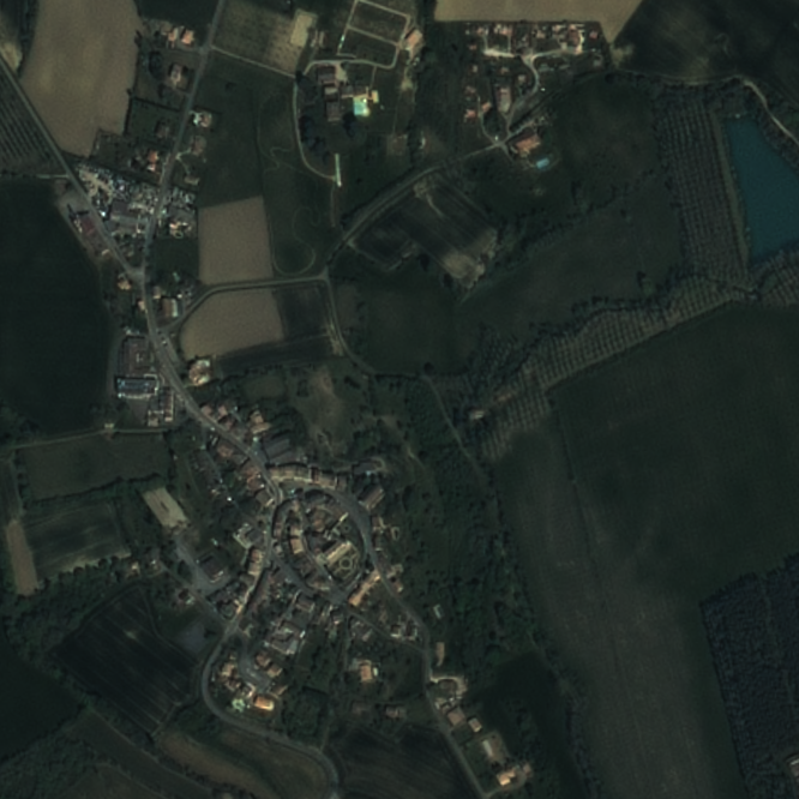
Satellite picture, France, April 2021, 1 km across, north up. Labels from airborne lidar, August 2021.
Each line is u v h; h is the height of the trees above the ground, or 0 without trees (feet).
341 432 0
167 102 50
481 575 28
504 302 21
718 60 0
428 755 0
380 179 0
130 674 0
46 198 0
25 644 49
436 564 0
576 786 0
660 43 0
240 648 0
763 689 68
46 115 0
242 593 0
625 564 30
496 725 0
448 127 22
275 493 0
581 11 0
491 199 0
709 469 43
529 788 27
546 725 0
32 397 0
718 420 30
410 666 33
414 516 51
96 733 0
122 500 35
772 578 40
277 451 0
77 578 36
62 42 0
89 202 0
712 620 49
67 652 0
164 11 0
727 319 0
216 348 0
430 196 0
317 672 40
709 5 0
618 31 0
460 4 0
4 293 0
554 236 45
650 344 31
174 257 0
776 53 0
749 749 51
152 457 0
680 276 42
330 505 0
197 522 0
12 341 0
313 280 0
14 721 0
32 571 0
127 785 0
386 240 0
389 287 0
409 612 0
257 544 0
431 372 47
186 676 0
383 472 0
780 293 83
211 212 0
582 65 0
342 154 0
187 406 0
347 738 0
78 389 0
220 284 0
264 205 0
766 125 61
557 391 25
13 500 0
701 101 60
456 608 41
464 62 37
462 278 0
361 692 25
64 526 0
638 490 0
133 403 0
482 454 74
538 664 0
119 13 0
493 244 0
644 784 20
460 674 0
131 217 0
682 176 91
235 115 0
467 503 22
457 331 0
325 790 0
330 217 0
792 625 49
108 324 0
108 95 0
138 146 25
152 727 0
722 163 82
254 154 0
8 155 79
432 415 30
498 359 73
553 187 0
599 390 26
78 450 0
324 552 0
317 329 0
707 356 0
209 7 0
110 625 0
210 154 0
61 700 0
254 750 0
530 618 45
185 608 26
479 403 66
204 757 0
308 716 31
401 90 0
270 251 0
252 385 0
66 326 0
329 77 0
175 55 0
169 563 21
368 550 0
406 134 29
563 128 0
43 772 37
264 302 0
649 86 52
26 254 0
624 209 0
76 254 0
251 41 28
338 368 0
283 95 25
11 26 0
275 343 0
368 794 0
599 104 0
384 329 0
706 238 95
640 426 28
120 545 0
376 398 23
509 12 0
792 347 0
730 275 102
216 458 23
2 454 63
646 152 0
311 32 33
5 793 31
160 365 0
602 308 53
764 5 0
